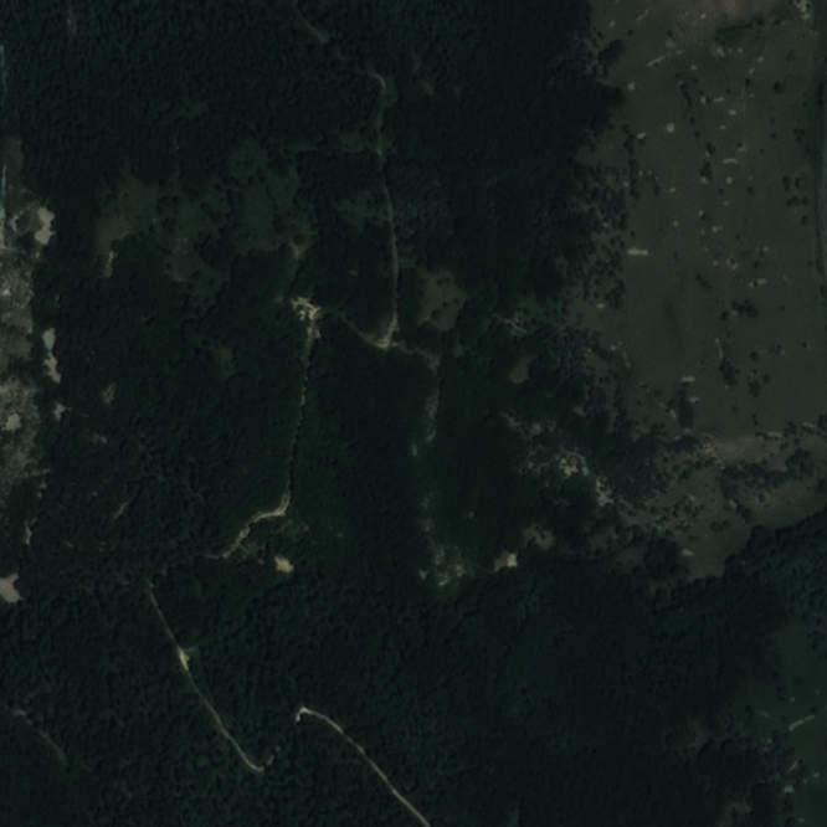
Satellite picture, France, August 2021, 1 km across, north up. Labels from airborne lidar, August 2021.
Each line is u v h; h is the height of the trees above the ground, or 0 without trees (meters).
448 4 19
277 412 19
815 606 13
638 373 0
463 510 17
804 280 0
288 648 10
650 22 0
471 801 19
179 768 17
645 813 19
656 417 0
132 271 15
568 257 15
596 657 19
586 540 9
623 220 11
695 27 0
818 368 0
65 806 19
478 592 15
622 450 13
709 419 0
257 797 17
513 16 24
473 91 15
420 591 23
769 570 9
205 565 24
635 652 20
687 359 0
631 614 26
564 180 16
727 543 0
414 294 13
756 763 16
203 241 9
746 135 0
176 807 21
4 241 0
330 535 6
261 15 9
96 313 16
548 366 13
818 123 0
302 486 20
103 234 0
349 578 28
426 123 17
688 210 0
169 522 24
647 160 0
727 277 0
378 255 12
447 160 20
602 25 0
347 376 22
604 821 17
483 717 19
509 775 19
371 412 21
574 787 16
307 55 9
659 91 0
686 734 13
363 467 22
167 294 18
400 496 15
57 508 14
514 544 17
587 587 27
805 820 0
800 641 0
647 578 10
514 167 11
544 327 10
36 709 16
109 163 11
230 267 10
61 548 30
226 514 12
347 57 14
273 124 19
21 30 7
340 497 19
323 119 21
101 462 13
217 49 11
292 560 14
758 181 0
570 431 11
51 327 8
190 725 7
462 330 14
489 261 17
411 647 25
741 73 0
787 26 0
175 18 11
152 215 0
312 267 20
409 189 14
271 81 10
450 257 16
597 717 22
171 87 12
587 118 19
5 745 16
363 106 19
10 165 0
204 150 16
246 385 24
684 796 20
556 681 19
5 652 13
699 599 24
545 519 18
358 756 9
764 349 0
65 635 18
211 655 20
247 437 26
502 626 20
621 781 17
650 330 0
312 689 11
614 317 0
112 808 12
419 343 10
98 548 5
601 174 8
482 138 21
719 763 20
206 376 27
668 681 19
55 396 11
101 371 7
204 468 21
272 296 11
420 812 7
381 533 22
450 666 18
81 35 28
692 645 20
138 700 16
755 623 19
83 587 15
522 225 17
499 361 12
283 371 18
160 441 21
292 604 22
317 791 13
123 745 10
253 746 15
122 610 10
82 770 22
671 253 0
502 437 18
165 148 18
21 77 10
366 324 10
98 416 12
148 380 22
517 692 9
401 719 15
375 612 28
